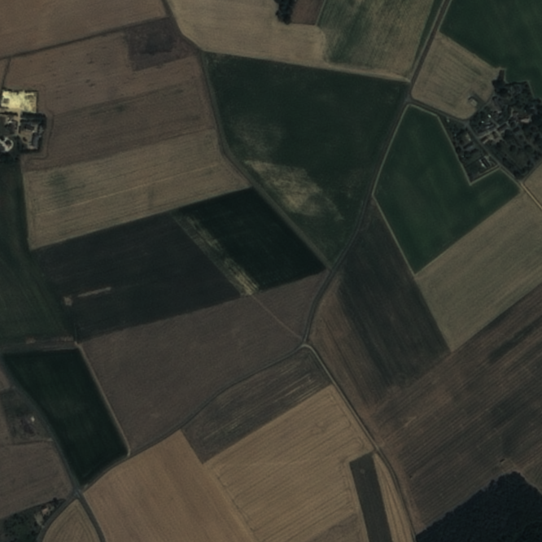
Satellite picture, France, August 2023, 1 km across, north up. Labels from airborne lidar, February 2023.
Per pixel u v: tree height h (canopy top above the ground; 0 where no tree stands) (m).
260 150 0
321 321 0
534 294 0
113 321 0
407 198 0
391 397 0
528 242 0
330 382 0
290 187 0
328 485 0
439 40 0
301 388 0
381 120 0
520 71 0
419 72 0
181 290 0
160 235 0
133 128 0
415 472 0
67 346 0
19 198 0
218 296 0
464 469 0
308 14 0
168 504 0
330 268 0
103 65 0
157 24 0
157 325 0
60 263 0
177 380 0
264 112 0
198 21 0
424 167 0
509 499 18
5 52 0
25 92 0
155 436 0
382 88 0
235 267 0
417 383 0
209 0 0
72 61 0
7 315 0
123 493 0
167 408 0
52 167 0
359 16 0
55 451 0
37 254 0
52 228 0
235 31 0
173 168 0
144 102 0
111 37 0
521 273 0
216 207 0
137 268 0
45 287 0
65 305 0
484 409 0
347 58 0
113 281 0
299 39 0
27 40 0
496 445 0
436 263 0
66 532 0
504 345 0
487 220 0
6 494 0
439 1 0
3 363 0
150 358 0
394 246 0
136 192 0
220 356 0
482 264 0
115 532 0
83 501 0
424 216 0
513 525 14
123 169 0
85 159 0
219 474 0
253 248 0
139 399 0
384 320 0
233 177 0
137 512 0
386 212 0
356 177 0
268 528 0
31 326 0
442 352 0
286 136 0
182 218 0
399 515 0
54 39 0
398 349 0
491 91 0
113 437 0
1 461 0
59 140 0
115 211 0
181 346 0
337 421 0
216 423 0
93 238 0
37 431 0
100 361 0
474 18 0
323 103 0
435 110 0
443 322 0
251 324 0
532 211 0
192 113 0
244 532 0
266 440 0
